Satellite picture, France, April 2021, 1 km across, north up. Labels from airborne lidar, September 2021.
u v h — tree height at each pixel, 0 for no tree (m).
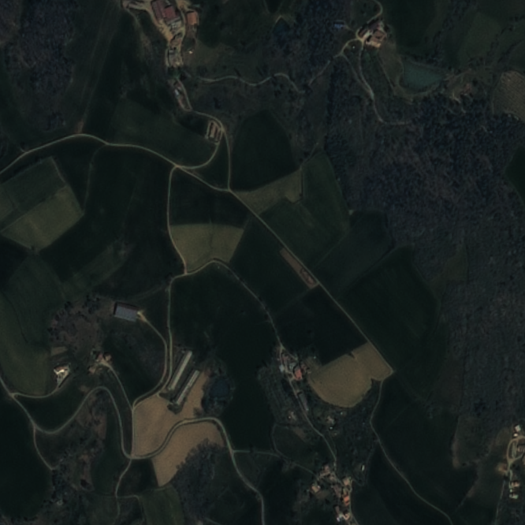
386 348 0
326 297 0
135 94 0
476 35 0
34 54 16
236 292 0
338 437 0
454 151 19
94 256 0
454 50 0
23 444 0
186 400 10
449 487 0
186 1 0
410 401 0
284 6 0
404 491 0
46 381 0
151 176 0
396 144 12
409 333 0
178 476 14
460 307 11
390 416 0
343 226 0
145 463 0
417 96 0
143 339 0
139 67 0
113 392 0
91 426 10
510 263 7
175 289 0
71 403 0
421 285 0
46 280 0
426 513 0
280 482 0
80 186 0
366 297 0
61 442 0
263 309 12
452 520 0
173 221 0
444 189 21
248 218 0
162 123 0
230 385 12
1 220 0
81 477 0
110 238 0
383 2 0
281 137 0
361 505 0
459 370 0
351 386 0
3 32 16
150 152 0
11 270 0
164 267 0
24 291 0
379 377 0
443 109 7
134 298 0
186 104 8
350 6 14
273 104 0
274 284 0
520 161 0
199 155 0
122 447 0
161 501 0
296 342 0
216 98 0
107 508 0
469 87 0
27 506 0
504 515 0
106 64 0
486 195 15
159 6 0
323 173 0
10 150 0
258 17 0
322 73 8
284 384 11
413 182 17
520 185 0
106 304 0
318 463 11
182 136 0
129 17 0
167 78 15
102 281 0
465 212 13
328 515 0
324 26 10
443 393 0
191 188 0
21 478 0
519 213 11
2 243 0
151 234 0
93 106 0
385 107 16
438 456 0
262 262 0
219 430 15
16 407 0
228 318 0
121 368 0
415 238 8
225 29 14
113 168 0
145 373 0
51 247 0
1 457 0
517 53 0
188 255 0
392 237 10
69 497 13
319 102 0
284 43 14
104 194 0
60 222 0
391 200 16
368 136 14
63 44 13
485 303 10
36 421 0
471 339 8
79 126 0
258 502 9
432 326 0
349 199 19
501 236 13
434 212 19
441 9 0
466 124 21
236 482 0
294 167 0
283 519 0
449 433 0
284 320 0
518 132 18
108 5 0
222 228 0
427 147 13
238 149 0
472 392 6
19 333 0
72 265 0
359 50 8
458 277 0
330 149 9
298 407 13
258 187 0
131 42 0
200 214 0
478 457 11
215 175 0
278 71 0
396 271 0
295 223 0
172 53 0
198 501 22
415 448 0
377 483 0
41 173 0
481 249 12
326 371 0
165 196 0
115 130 0
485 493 0
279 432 0
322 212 0
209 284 0
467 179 16
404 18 0
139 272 0
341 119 12
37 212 0
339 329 0
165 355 0
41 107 0
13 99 0
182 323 0
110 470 0
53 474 11
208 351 14
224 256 0
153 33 0
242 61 0
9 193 0
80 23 0
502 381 9
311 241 0
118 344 0
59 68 13
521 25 0
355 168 14
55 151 0
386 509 0
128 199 0
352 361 0
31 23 15
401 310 0
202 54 0
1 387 0
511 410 13
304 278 0
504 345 20
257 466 0
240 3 0
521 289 12
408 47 0
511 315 11
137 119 0
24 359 0
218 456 10
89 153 0
